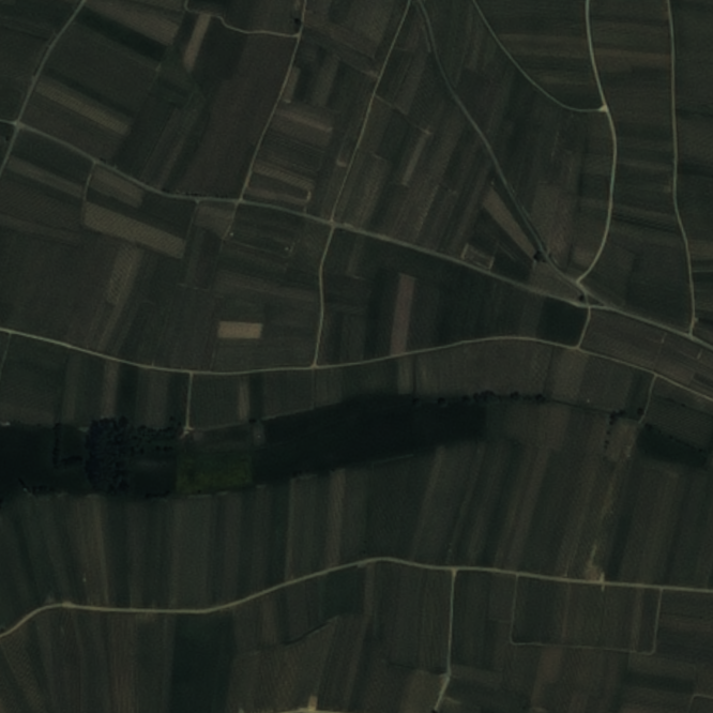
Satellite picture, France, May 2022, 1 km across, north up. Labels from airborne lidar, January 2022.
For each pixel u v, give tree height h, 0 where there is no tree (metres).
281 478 0
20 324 0
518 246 0
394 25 0
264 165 0
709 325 0
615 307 0
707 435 0
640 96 0
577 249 0
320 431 0
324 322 0
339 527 0
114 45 0
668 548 0
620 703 0
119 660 0
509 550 0
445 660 0
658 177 0
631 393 0
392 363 0
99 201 0
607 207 0
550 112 0
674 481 0
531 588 0
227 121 0
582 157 0
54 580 0
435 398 0
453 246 0
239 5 0
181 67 0
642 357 0
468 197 0
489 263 0
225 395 0
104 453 30
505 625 0
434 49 0
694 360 0
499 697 0
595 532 0
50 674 0
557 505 0
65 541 0
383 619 0
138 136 0
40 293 0
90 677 0
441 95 0
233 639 0
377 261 0
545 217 0
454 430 0
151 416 0
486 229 0
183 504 0
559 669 0
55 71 0
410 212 0
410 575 0
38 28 0
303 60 0
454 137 0
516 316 0
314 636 0
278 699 0
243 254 0
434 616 0
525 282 0
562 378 0
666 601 0
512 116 0
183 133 0
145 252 0
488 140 0
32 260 0
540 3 0
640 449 0
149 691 0
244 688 0
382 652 0
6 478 0
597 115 0
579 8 0
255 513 0
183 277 0
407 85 0
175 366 0
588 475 0
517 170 0
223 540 0
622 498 0
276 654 0
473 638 0
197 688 0
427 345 0
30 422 0
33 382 0
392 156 0
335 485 0
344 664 0
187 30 0
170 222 0
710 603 0
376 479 0
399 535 0
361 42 0
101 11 0
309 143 0
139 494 0
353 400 0
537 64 0
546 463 0
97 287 0
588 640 0
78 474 0
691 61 0
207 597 0
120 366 0
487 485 0
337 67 0
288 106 0
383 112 0
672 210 0
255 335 0
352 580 0
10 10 0
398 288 0
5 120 0
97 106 0
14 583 0
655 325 0
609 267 0
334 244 0
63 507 0
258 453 0
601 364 0
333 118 0
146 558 0
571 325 0
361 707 0
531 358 0
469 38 0
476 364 0
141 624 0
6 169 0
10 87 0
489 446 0
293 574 0
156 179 0
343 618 0
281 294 0
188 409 0
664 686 0
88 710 0
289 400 0
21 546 0
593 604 0
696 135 0
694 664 0
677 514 0
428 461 0
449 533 0
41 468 0
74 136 0
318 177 0
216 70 0
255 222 0
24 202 0
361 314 0
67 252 0
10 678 0
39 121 0
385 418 0
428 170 0
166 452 8
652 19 0
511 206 0
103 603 0
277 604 0
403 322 0
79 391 0
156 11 0
